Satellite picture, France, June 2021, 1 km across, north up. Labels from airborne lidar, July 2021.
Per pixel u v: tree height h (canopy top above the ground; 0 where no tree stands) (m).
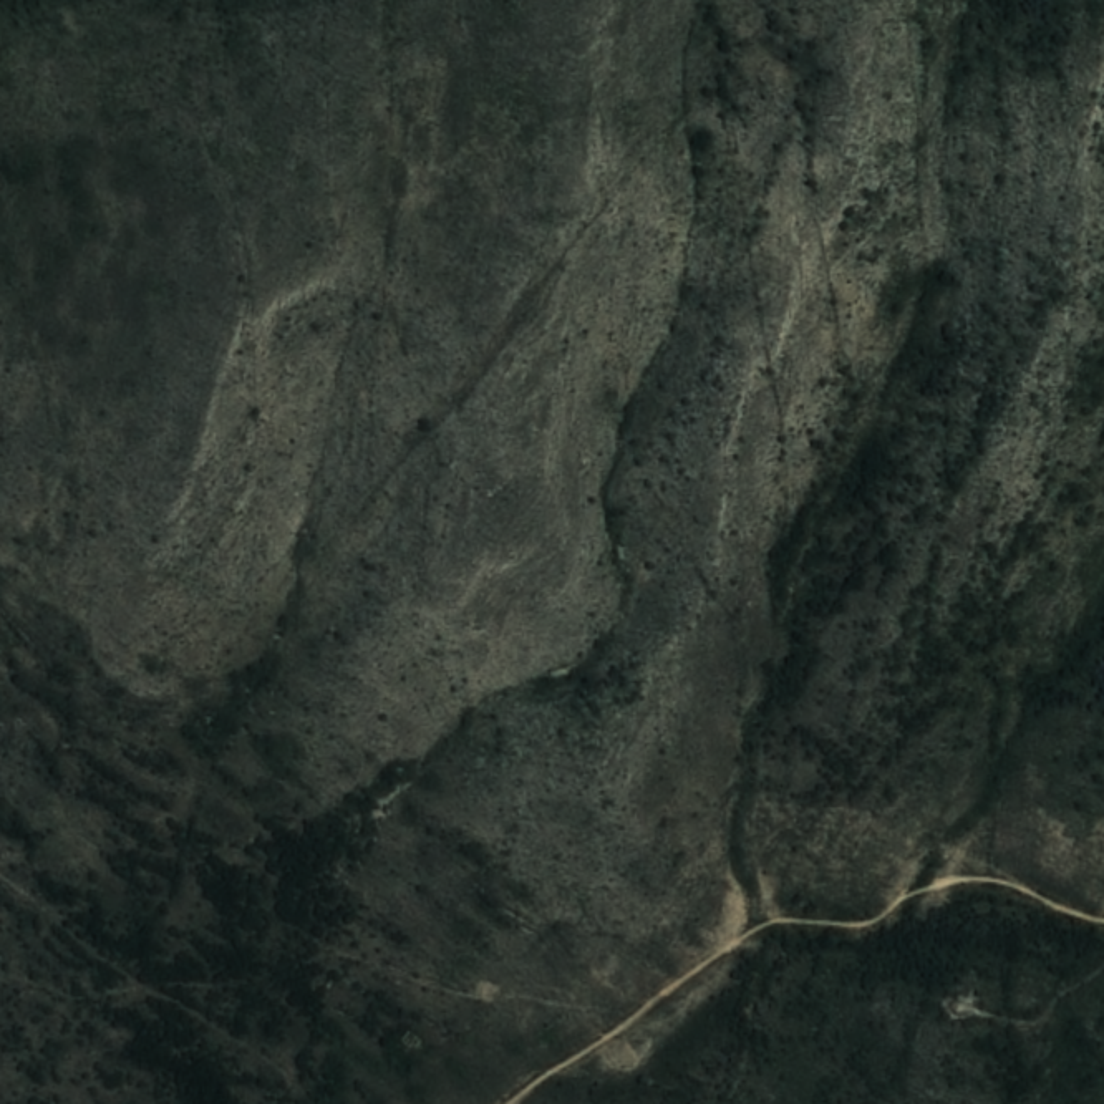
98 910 8
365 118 0
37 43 0
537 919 0
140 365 0
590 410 0
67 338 0
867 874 0
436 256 0
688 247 0
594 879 0
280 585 0
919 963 7
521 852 0
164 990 8
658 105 0
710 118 0
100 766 7
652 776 0
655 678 0
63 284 0
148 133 0
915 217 0
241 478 0
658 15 0
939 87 0
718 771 0
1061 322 0
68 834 0
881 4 0
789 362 0
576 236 0
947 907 9
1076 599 0
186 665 0
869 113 0
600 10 0
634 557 0
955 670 7
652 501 0
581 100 0
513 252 0
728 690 0
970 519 0
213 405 0
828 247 0
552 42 0
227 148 0
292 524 0
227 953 9
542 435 0
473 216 0
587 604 0
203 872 6
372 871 0
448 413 0
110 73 0
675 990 0
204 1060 10
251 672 9
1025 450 0
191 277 0
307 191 0
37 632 0
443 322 0
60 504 0
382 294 0
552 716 0
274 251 0
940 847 0
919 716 8
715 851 0
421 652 0
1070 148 0
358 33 0
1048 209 0
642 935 0
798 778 0
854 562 6
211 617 0
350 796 8
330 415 0
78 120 0
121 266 0
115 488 0
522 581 0
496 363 0
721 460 0
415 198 0
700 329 0
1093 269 0
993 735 7
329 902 8
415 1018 6
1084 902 0
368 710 0
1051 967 6
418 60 0
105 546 0
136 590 0
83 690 0
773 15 7
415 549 0
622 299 0
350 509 0
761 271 0
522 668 0
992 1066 6
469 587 0
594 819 0
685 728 0
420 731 0
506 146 0
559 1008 0
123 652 0
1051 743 0
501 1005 0
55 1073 6
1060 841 0
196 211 0
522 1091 0
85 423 0
